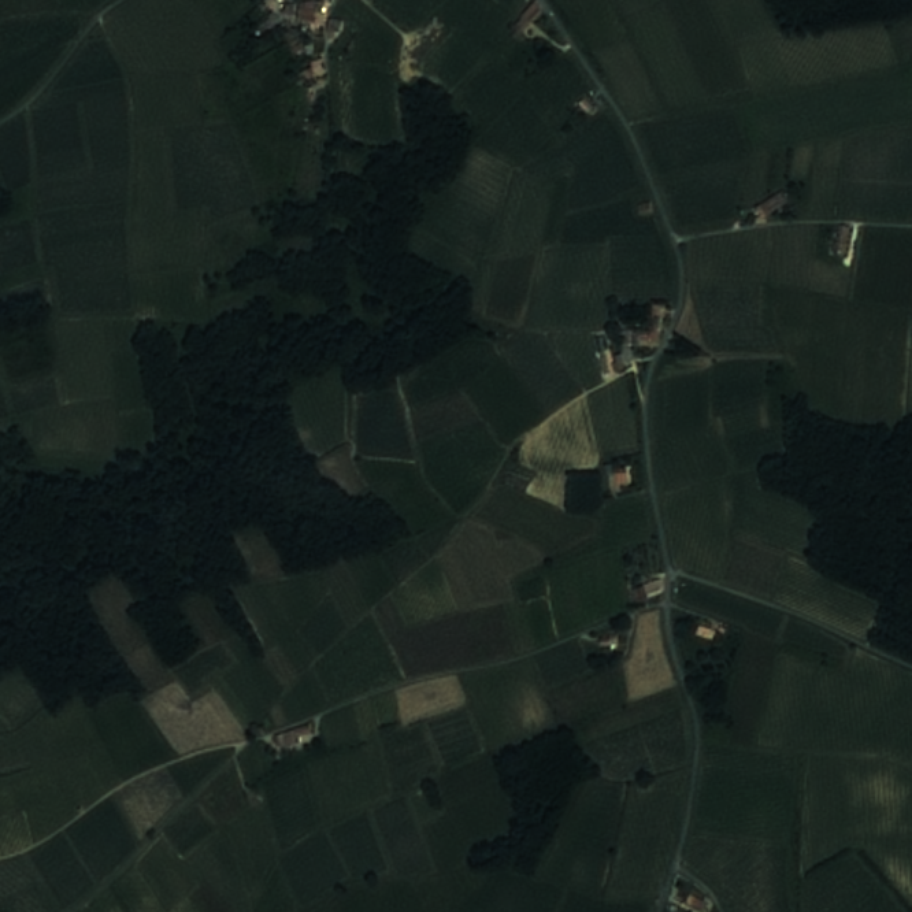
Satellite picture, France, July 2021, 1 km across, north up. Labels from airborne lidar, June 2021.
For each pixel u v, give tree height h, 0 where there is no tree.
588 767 17
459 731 0
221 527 23
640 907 0
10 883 0
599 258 0
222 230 0
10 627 19
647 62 0
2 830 0
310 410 0
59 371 0
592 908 0
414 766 0
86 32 0
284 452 21
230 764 0
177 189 0
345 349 25
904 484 24
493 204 0
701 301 0
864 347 0
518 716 0
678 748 0
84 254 0
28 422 0
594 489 11
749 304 0
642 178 0
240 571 21
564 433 0
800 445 17
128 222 0
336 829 0
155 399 18
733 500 0
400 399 0
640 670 0
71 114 0
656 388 0
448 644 0
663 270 0
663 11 0
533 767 15
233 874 0
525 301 0
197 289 0
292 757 10
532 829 25
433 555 0
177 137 0
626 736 0
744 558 0
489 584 0
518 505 0
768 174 0
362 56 0
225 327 16
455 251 0
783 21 11
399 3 0
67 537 22
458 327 15
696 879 0
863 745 0
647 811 0
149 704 0
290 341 26
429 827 0
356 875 0
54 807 0
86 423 0
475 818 0
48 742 0
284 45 6
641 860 0
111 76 0
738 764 0
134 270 0
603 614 0
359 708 0
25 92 0
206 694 0
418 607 0
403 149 16
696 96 0
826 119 0
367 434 0
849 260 0
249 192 0
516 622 0
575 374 0
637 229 0
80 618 14
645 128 0
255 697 0
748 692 0
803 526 0
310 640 0
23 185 0
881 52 0
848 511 17
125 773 0
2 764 0
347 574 0
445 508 0
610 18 0
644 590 0
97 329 0
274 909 0
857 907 0
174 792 0
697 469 0
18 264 0
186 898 0
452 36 0
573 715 0
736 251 0
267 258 19
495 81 0
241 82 0
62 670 22
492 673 0
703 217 0
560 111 0
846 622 0
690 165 0
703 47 0
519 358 0
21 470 11
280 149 0
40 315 21
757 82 0
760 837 0
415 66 10
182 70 0
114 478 24
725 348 0
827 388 0
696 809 0
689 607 0
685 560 0
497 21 0
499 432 0
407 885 0
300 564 14
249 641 11
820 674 0
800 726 0
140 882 0
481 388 0
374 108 0
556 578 0
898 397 0
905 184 0
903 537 15
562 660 0
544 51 12
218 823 0
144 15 0
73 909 0
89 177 0
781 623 0
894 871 0
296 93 0
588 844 0
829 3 13
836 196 0
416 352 18
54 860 0
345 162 0
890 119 0
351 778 0
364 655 0
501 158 0
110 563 17
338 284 20
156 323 12
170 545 21
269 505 22
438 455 0
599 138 0
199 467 11
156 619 17
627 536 0
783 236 0
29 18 0
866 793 0
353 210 18
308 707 0
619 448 0
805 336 0
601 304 0
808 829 0
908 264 0
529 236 0
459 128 15
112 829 0
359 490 0
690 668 12
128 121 0
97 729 0
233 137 0
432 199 0
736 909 0
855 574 13
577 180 0
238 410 17
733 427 0
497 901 0
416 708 0
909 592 18
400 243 15
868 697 0
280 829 0
